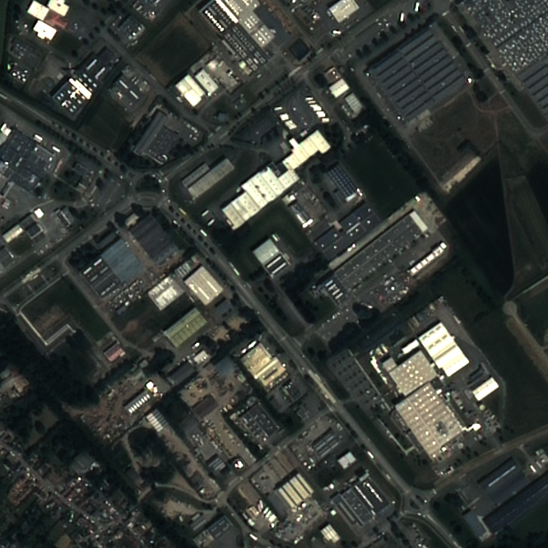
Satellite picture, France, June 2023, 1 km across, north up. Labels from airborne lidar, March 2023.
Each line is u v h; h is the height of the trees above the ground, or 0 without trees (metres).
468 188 0
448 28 0
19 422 25
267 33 0
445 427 0
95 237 8
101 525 0
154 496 0
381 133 9
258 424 0
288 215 0
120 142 0
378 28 0
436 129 0
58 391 10
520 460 0
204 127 0
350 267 0
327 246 0
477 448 0
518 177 0
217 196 0
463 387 0
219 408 0
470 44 0
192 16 0
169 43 0
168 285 0
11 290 0
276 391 0
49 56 0
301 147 0
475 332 0
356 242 0
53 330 0
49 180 0
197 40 0
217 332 0
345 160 0
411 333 0
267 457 0
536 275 0
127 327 0
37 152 0
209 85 0
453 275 0
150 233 0
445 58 0
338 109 0
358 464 0
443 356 0
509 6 0
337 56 0
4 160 0
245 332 15
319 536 0
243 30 0
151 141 0
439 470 0
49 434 8
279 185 0
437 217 0
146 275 0
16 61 0
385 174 0
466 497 0
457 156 0
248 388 0
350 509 0
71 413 0
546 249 0
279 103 0
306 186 0
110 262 0
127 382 0
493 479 0
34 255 0
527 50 0
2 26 0
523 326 0
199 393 0
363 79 0
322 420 0
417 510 0
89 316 0
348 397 0
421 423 0
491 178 0
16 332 17
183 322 0
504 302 0
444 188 0
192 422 0
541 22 0
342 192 0
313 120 0
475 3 0
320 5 0
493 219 0
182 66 0
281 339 0
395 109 0
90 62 0
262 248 0
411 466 0
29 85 0
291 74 0
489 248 0
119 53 0
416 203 0
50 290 0
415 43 0
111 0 11
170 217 0
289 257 0
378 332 0
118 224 15
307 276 7
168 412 11
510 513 0
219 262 0
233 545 0
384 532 0
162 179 0
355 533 0
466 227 0
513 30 0
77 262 14
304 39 0
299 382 0
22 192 0
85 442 10
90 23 0
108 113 0
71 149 9
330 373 0
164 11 0
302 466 0
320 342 0
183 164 0
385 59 0
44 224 0
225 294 0
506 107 0
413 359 0
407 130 0
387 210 0
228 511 0
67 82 0
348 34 0
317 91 0
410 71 0
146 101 0
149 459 0
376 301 0
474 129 0
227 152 0
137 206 13
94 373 0
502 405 0
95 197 0
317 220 0
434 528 0
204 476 0
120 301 0
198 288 0
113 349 0
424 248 0
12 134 0
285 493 0
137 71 0
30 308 0
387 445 0
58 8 0
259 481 0
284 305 0
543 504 0
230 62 0
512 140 0
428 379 0
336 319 0
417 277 0
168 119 0
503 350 0
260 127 0
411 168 10
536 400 0
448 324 0
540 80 0
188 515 0
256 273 9
